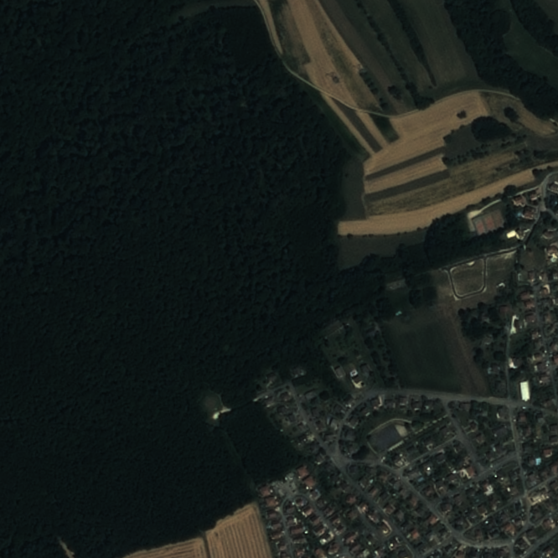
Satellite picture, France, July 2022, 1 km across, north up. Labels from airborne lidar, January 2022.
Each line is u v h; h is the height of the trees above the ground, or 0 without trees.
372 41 0
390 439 0
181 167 26
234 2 0
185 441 18
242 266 18
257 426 15
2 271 24
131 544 13
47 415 20
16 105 26
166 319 20
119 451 18
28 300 23
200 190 23
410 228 0
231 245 22
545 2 0
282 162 25
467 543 0
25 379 21
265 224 23
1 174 23
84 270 21
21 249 23
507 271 0
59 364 22
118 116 26
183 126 26
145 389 21
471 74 0
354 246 0
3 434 16
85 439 18
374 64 0
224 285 20
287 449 13
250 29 12
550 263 0
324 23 0
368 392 0
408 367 0
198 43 22
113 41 23
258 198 11
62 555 20
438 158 0
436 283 0
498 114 0
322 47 0
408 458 0
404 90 0
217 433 16
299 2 0
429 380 0
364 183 0
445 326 0
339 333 0
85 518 18
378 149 0
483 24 14
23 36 27
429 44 0
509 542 0
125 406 21
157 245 18
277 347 24
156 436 17
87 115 26
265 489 0
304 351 17
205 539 0
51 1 17
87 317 21
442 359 0
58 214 18
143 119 28
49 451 20
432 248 22
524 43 0
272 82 23
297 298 24
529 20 22
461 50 0
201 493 17
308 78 0
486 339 0
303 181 25
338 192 13
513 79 20
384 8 0
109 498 16
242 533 0
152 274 18
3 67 25
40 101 23
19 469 18
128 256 20
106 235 20
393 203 0
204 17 7
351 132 0
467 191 0
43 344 22
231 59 24
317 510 0
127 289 20
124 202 25
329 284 24
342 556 0
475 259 0
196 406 12
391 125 0
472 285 0
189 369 19
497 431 0
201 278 23
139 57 21
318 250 7
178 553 0
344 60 0
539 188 0
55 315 21
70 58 21
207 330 19
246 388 22
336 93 0
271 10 0
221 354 23
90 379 22
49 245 24
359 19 0
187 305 21
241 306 24
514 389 0
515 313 0
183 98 22
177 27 11
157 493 17
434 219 0
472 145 0
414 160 0
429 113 0
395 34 0
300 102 23
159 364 20
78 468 20
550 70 0
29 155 24
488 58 14
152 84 20
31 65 23
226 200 21
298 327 22
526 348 8
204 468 20
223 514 14
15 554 26
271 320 23
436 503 0
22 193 22
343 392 7
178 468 18
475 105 0
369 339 8
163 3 23
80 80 25
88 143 31
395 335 0
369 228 0
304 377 6
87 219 24
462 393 0
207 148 27
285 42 0
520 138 6
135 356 19
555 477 0
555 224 13
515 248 0
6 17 28
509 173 0
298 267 13
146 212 19
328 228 14
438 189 0
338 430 0
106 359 20
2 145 26
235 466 15
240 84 28
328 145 19
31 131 24
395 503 0
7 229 28
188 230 19
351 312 22
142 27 23
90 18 23
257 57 14
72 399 20
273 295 21
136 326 20
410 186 0
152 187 18
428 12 0
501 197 7
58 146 31
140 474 16
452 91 0
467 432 0
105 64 22
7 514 19
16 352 20
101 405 24
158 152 27
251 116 21
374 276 22
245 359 21
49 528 25
